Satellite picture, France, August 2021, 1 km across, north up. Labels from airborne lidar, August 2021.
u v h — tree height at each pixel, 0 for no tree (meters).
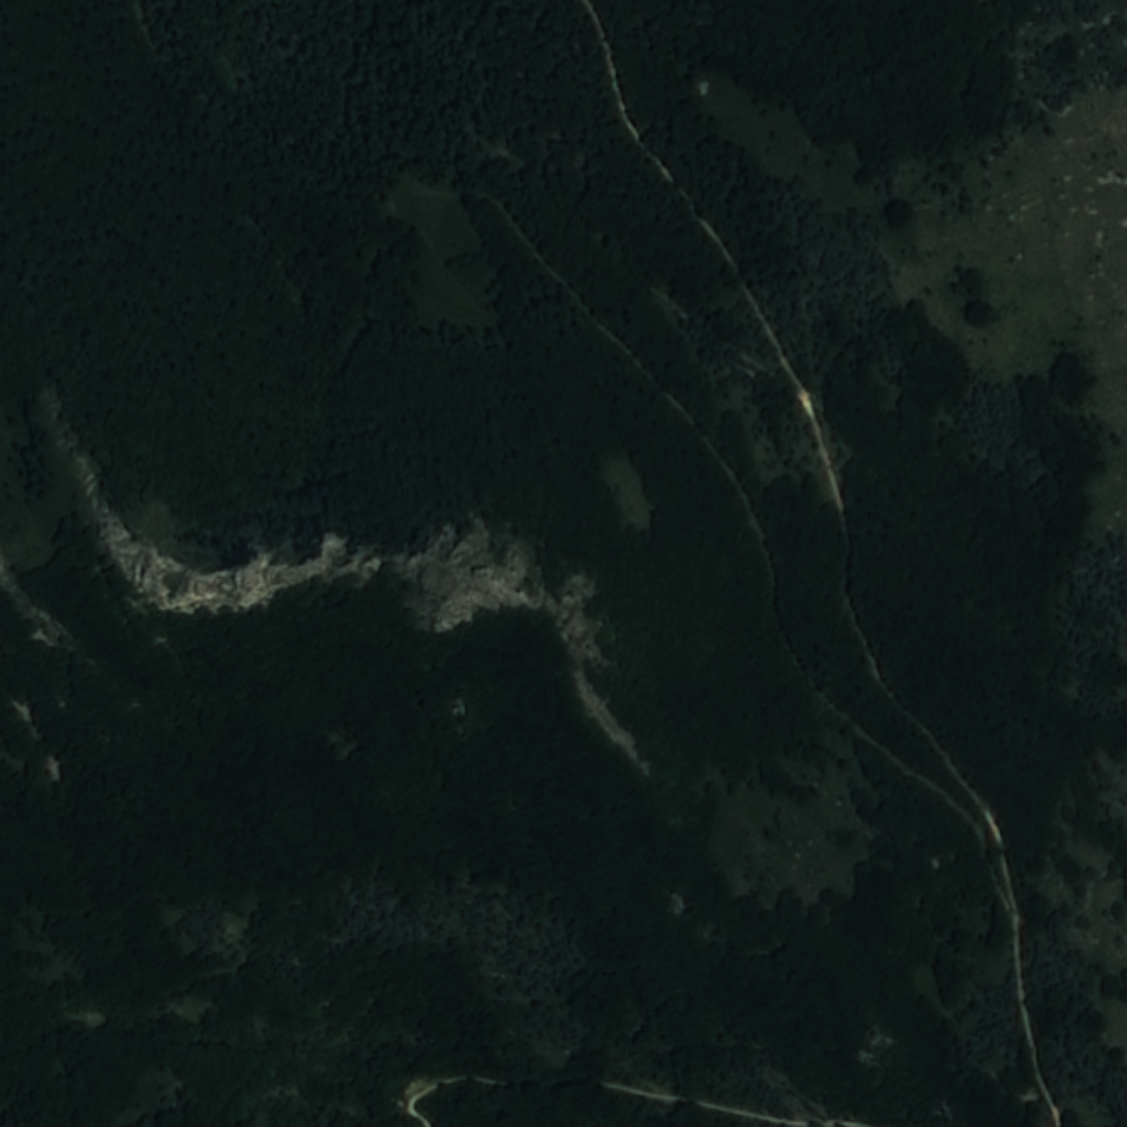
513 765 16
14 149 17
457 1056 17
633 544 10
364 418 16
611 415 14
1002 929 15
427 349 15
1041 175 0
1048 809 9
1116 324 0
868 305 10
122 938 15
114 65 16
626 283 18
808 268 12
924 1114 13
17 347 11
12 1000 26
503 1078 14
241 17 17
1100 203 0
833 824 0
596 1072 17
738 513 11
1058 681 16
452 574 0
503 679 14
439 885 8
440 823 21
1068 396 12
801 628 18
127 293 13
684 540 11
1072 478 20
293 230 17
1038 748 9
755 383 11
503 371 18
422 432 14
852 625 17
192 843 19
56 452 0
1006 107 13
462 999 21
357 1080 9
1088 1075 7
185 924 10
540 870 22
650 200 17
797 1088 12
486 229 14
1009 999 7
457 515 10
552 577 6
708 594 13
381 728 18
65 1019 18
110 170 16
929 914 16
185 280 14
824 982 16
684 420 12
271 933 18
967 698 10
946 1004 15
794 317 12
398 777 18
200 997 11
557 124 18
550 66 20
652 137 18
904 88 13
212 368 12
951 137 16
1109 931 0
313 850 18
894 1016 16
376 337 15
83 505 0
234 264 16
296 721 16
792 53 20
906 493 18
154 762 15
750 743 13
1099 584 10
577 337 19
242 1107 18
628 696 10
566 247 15
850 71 19
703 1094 6
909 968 18
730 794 7
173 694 16
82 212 15
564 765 14
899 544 19
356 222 17
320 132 19
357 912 10
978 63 19
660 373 13
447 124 18
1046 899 7
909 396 10
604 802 11
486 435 11
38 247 15
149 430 17
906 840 9
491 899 12
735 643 17
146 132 17
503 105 20
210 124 25
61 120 17
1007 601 19
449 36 18
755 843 0
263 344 18
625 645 10
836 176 0
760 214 19
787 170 0
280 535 7
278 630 16
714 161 22
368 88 15
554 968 12
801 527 13
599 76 18
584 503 13
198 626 14
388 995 15
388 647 16
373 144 21
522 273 15
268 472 13
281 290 13
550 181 18
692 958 18
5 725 16
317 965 14
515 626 14
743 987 16
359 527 12
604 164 18
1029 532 16
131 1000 12
